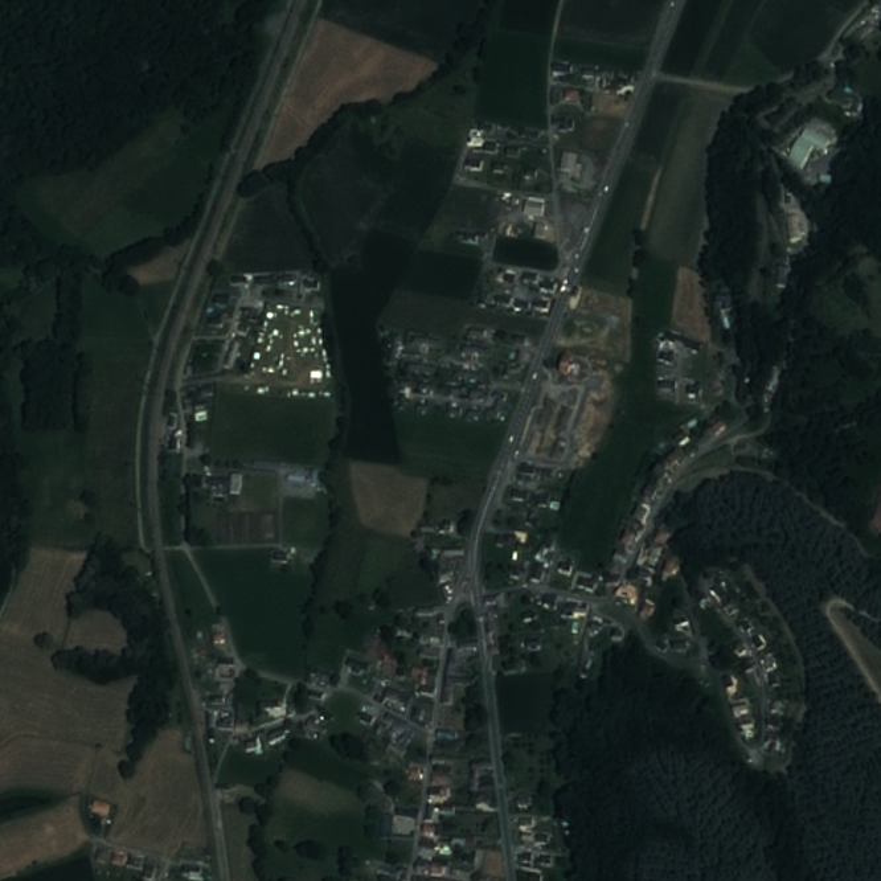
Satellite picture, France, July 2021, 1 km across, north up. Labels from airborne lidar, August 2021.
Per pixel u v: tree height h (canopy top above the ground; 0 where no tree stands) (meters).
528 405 0
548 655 0
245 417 0
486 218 0
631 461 0
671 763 16
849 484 24
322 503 0
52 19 21
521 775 0
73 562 0
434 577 9
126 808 0
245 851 0
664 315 0
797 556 15
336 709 0
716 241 25
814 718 20
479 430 0
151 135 0
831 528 23
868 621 19
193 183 0
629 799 23
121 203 0
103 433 0
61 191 0
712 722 26
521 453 0
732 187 28
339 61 0
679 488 0
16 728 0
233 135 10
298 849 8
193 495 12
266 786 12
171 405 10
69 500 0
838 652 17
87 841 0
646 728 21
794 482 10
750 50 0
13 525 28
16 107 15
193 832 0
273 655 0
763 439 10
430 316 0
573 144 0
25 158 26
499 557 0
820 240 20
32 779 0
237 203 0
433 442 0
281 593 0
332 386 0
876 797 20
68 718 0
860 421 10
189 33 27
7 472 26
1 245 26
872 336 7
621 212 0
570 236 0
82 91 21
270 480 0
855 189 32
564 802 26
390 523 0
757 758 0
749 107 15
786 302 18
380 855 0
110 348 0
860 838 18
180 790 0
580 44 0
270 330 0
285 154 0
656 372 0
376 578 0
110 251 0
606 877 21
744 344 24
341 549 0
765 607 7
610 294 0
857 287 8
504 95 0
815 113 7
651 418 0
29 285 15
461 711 7
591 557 0
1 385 17
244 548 0
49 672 0
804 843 18
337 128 12
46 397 22
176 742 0
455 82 0
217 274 18
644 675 32
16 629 0
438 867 0
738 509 21
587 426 0
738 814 23
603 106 0
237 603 0
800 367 14
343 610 20
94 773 0
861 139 29
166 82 26
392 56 0
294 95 0
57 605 0
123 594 21
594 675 0
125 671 17
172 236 19
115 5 22
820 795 18
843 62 13
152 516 0
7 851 0
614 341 0
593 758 18
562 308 0
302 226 6
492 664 0
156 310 0
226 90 24
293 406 0
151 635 31
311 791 0
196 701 0
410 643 10
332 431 0
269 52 0
